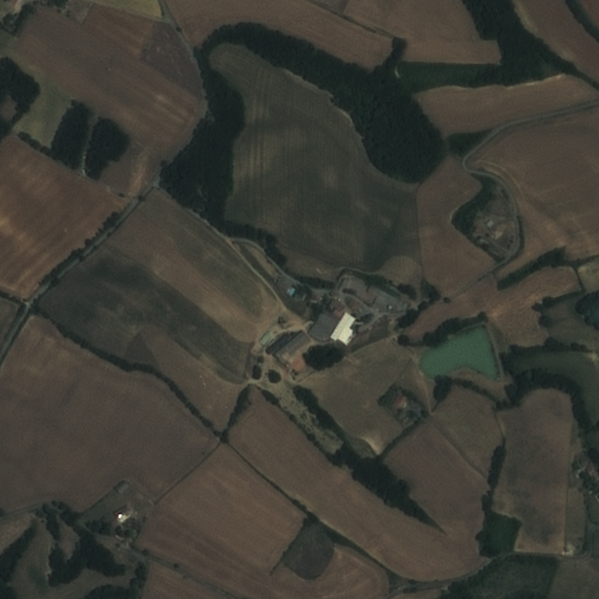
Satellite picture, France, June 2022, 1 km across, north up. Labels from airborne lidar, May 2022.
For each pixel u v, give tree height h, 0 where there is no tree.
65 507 11
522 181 0
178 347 0
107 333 0
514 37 19
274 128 0
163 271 0
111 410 0
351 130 0
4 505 0
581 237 0
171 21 0
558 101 0
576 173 0
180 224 0
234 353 0
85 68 0
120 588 18
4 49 0
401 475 0
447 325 16
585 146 0
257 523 0
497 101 0
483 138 0
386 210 0
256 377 10
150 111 0
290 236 0
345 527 0
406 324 15
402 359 0
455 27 0
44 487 0
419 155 17
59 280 9
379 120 14
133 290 0
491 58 0
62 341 0
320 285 10
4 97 18
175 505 0
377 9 0
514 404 10
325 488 0
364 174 0
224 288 0
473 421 0
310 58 19
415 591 10
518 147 0
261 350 0
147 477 0
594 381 0
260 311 0
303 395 18
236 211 0
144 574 11
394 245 0
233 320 0
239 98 17
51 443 0
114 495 0
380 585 0
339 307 0
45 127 0
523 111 0
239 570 0
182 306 0
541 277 0
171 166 13
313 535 0
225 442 12
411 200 0
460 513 0
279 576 0
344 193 0
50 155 14
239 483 0
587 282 0
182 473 0
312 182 0
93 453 0
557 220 0
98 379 0
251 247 0
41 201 0
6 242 0
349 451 15
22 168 0
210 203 18
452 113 0
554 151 0
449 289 0
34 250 0
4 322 0
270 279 0
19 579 0
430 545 0
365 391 0
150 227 0
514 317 0
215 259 0
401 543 0
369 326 0
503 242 0
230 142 17
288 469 0
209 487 0
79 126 13
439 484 0
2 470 0
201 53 12
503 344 0
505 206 0
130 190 0
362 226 0
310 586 0
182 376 0
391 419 0
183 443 0
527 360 0
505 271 0
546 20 0
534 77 14
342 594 0
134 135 0
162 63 0
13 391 0
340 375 0
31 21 0
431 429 0
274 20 0
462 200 0
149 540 0
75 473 0
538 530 0
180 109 0
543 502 0
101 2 0
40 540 0
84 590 0
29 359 0
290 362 0
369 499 0
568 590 0
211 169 18
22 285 0
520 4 0
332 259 0
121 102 0
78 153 16
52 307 0
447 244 0
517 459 0
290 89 0
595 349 0
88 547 20
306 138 0
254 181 0
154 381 0
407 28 0
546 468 0
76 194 0
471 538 0
